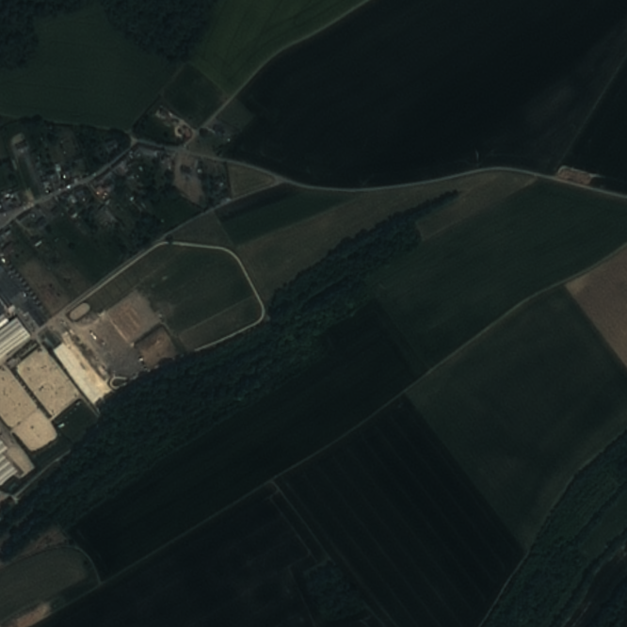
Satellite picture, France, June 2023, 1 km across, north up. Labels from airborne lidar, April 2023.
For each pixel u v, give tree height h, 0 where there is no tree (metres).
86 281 0
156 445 11
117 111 0
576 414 0
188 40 14
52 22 0
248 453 0
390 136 0
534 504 0
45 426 0
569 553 9
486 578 0
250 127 0
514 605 13
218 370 21
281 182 0
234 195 0
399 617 0
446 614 0
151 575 0
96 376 0
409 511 0
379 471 0
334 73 0
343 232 0
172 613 0
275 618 0
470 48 0
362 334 0
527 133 0
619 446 8
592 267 0
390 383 0
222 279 0
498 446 0
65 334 0
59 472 11
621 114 0
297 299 11
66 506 12
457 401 0
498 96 0
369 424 0
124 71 0
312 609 0
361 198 0
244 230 0
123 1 16
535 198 0
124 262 0
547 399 0
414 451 0
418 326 0
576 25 0
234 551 0
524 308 0
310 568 0
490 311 0
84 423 0
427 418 0
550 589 17
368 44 0
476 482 0
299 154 0
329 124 0
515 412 0
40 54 0
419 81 0
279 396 0
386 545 0
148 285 0
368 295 6
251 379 19
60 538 0
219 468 0
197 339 0
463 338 0
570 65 0
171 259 0
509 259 0
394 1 0
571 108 0
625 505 0
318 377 0
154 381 21
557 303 0
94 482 17
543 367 0
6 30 14
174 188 16
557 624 11
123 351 0
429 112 0
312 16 0
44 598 0
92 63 0
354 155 0
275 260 0
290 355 16
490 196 0
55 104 0
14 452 0
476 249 0
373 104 0
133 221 0
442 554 0
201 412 12
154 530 0
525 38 0
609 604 12
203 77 0
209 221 0
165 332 0
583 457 0
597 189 0
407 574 0
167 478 0
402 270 0
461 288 0
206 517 0
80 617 0
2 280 0
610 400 0
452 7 0
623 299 0
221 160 0
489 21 0
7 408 0
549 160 0
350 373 0
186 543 0
